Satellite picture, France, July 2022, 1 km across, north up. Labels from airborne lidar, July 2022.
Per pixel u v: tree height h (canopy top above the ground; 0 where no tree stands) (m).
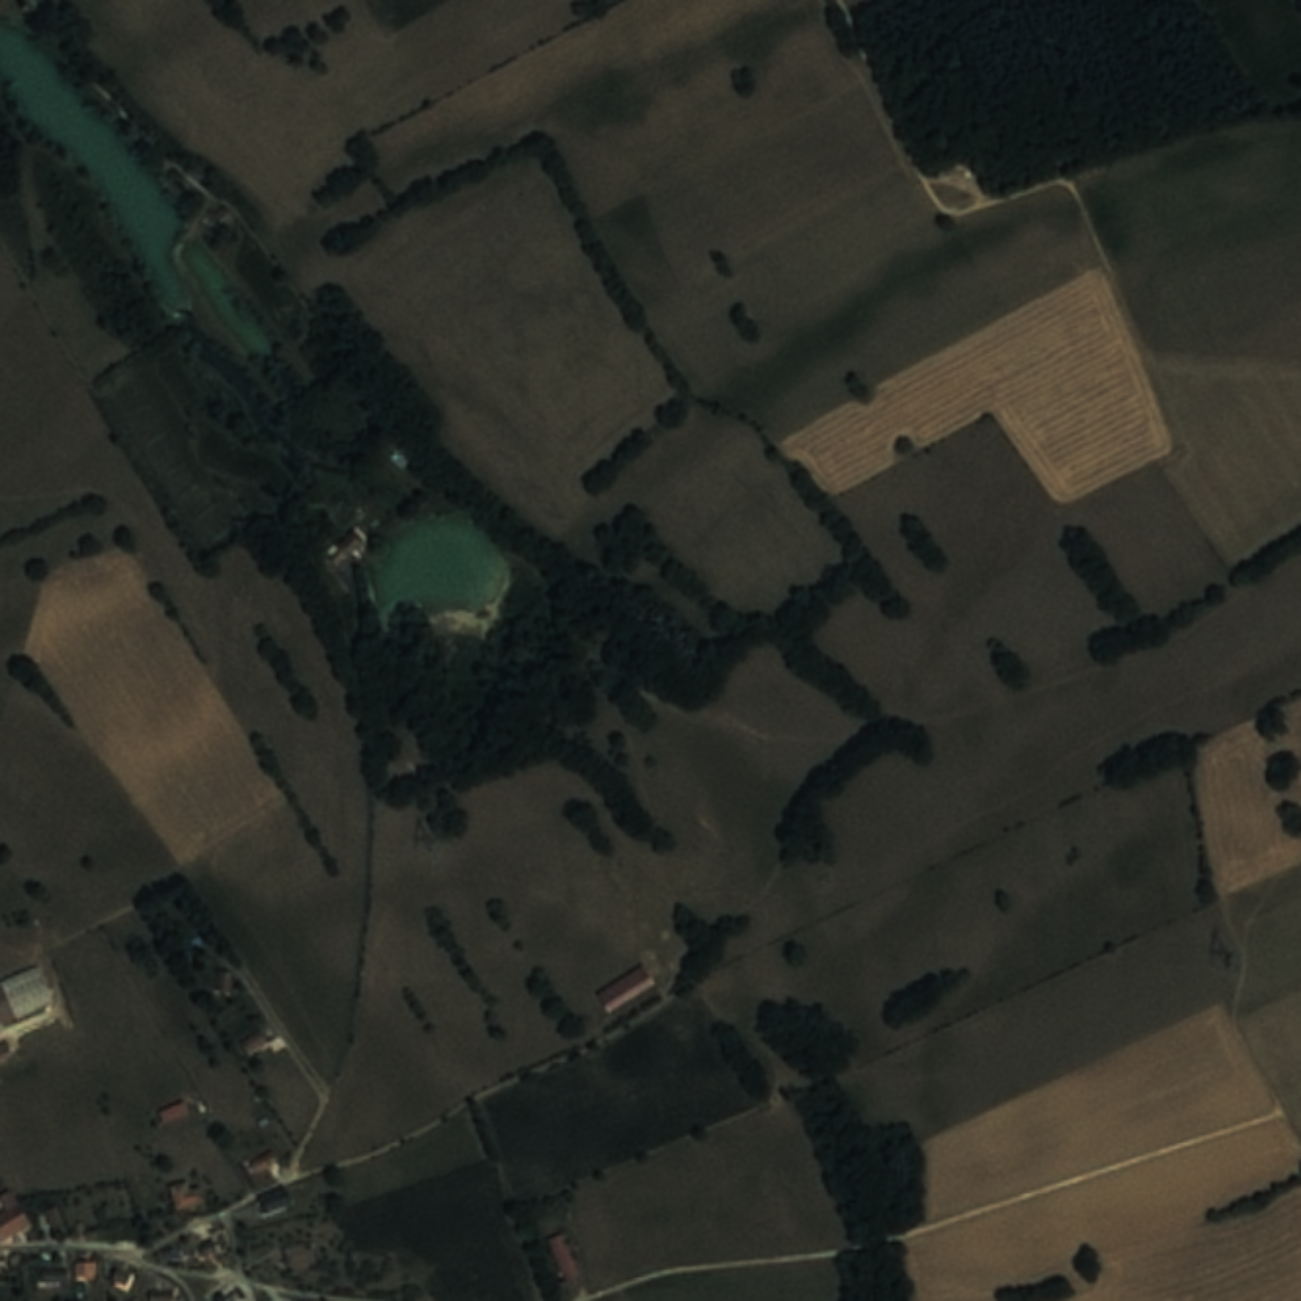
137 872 0
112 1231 5
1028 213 0
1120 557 0
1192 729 0
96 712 0
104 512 10
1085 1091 0
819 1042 21
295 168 0
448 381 0
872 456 0
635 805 21
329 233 0
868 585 16
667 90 0
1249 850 0
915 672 0
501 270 0
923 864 0
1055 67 23
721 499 0
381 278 0
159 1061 0
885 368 0
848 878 0
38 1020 0
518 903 0
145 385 0
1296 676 0
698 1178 0
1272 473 0
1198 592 0
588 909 0
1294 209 0
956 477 0
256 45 7
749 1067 18
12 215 0
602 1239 0
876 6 12
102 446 0
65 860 0
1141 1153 0
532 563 11
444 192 15
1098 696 0
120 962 0
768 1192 0
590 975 0
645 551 15
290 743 0
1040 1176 0
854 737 0
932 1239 0
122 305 12
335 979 0
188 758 0
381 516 0
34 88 0
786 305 0
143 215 0
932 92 25
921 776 0
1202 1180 0
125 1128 0
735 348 0
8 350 0
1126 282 0
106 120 8
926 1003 19
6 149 10
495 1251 0
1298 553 11
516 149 7
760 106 0
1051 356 0
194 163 16
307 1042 0
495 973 0
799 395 0
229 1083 0
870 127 0
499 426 0
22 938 0
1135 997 0
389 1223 0
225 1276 0
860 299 0
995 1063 0
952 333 0
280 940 0
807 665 18
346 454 7
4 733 0
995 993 0
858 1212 15
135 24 0
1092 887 0
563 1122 0
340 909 0
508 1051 0
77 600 0
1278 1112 0
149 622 0
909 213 0
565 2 0
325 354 7
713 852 0
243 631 0
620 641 11
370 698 18
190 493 0
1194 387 0
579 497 0
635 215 0
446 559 0
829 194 0
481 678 14
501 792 0
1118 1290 0
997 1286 0
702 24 0
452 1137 0
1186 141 10
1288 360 0
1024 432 0
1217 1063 0
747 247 0
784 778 0
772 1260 0
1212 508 0
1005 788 0
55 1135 0
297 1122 0
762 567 0
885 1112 0
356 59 0
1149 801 0
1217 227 0
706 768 0
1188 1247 0
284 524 14
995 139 20
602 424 0
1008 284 0
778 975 0
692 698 17
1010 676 15
